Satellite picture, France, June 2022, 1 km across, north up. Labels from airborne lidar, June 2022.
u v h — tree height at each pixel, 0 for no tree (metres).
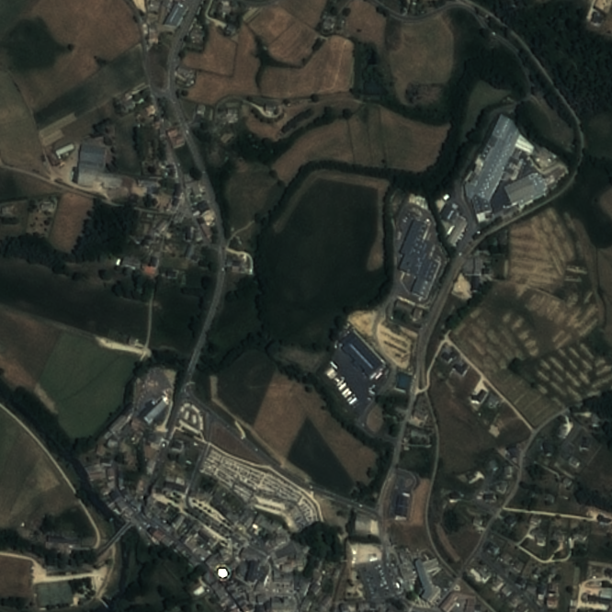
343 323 22
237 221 0
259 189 0
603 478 0
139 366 13
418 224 0
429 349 0
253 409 0
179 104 0
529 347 0
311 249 0
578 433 0
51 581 0
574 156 16
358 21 0
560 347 0
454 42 0
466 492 0
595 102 10
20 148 0
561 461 0
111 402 0
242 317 0
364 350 0
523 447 0
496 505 0
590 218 0
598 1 0
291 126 11
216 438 0
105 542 0
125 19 0
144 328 0
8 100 0
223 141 0
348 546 0
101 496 7
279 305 0
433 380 0
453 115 18
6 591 0
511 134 0
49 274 0
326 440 0
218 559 0
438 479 0
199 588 0
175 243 0
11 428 0
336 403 0
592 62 15
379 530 0
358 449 0
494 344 0
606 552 0
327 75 0
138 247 8
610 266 0
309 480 0
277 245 0
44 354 0
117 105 7
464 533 0
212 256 0
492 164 0
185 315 0
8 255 20
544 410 0
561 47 21
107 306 0
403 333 0
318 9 0
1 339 0
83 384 0
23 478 0
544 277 0
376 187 0
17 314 0
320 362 0
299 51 0
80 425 0
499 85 10
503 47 0
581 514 0
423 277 0
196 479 0
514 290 0
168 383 0
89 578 9
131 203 7
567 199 0
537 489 21
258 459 0
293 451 0
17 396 11
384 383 0
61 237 0
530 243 0
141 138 20
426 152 0
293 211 0
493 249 16
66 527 0
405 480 0
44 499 0
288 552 0
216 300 0
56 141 0
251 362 0
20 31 0
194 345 0
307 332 0
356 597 0
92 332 0
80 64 0
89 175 0
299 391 0
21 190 0
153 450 0
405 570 0
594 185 0
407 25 0
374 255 0
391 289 9
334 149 0
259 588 0
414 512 0
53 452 8
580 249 0
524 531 0
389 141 0
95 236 30
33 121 0
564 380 0
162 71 0
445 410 0
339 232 0
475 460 0
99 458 9
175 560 20
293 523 0
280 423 0
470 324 0
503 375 0
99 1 0
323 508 0
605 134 0
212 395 0
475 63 18
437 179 15
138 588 17
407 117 8
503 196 0
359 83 0
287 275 0
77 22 0
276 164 0
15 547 19
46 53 0
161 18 0
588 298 0
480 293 11
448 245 9
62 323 0
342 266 0
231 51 0
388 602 8
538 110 0
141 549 0
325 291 0
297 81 0
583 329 0
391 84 8
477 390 0
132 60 0
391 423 8
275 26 0
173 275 0
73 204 0
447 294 0
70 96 0
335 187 0
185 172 0
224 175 16
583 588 0
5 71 0
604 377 0
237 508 0
